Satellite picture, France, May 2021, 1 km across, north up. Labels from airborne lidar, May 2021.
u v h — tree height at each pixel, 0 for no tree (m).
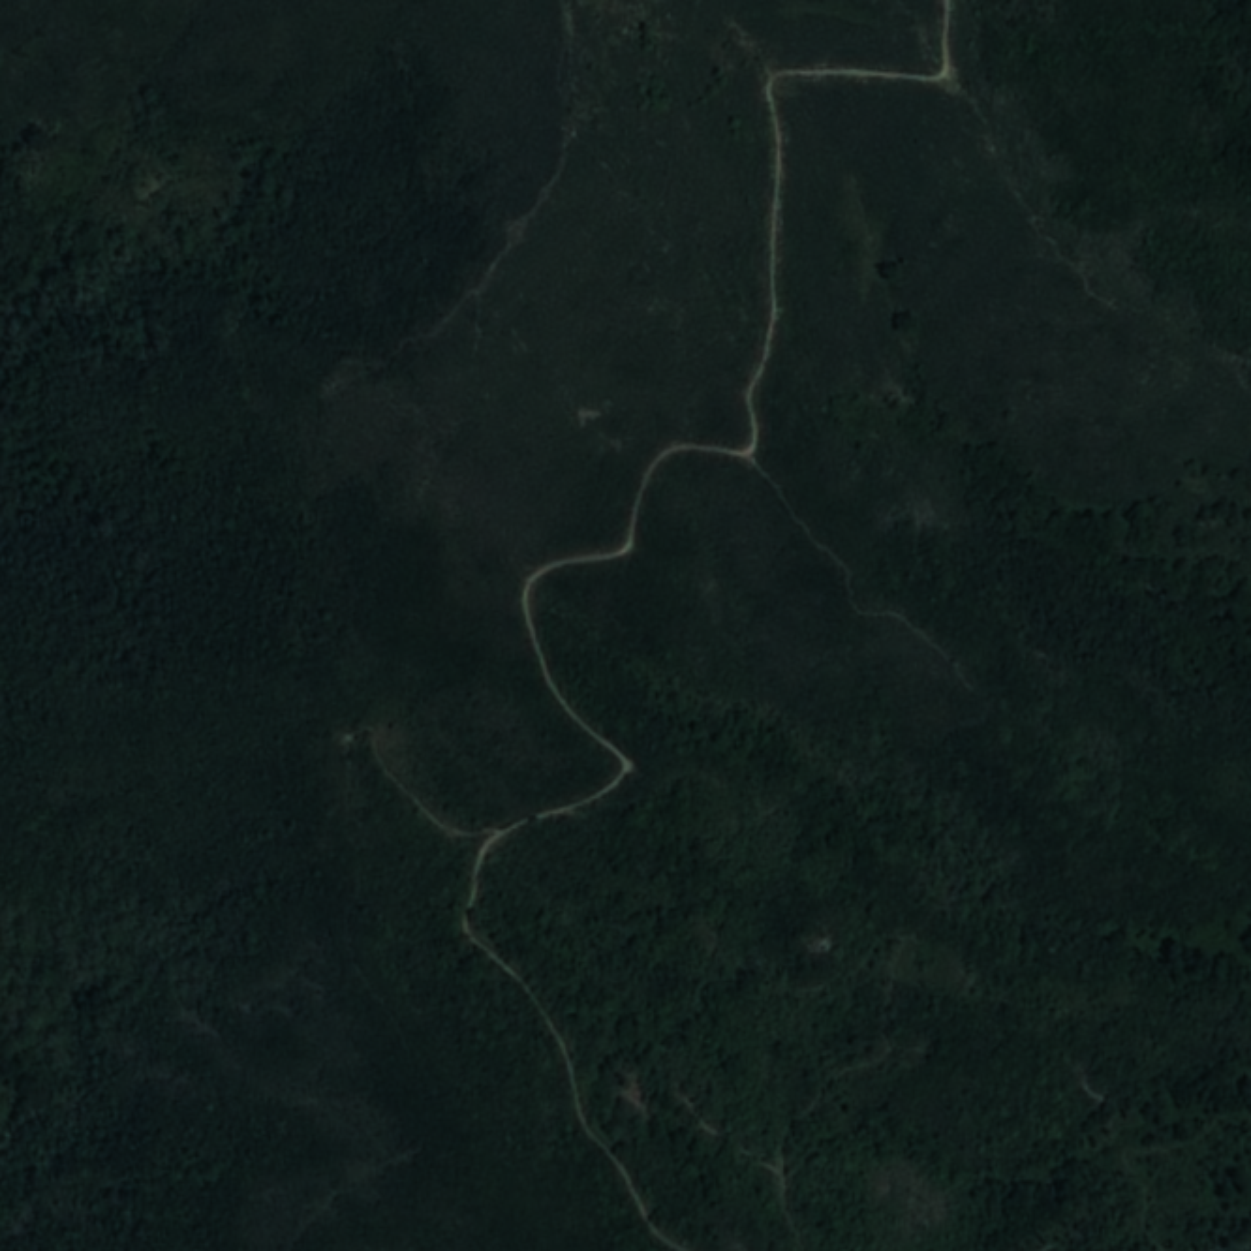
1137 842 11
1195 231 9
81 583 10
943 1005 7
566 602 6
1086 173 8
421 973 8
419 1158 6
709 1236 7
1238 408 0
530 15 0
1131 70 6
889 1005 8
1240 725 11
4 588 12
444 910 7
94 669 12
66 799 6
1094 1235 12
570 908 8
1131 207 6
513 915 13
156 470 17
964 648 6
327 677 6
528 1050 9
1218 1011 6
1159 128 6
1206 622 28
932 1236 7
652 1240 10
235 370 7
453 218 7
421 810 9
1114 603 16
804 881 13
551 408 0
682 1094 5
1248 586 19
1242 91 11
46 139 16
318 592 6
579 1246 7
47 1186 8
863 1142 15
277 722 9
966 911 15
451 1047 7
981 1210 7
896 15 0
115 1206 10
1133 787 10
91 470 8
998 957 11
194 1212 11
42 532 13
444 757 6
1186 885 8
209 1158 9
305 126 6
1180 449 0
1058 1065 9
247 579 10
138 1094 7
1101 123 7
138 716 9
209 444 6
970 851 17
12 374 18
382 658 6
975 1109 8
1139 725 8
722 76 14
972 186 0
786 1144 8
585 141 0
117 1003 19
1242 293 8
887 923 7
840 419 8
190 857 10
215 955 10
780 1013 8
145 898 11
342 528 6
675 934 14
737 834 8
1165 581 21
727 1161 8
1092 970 9
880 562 7
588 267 0
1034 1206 19
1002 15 6
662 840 15
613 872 6
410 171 7
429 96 7
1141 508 19
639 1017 14
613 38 6
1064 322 0
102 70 6
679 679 10
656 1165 7
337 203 7
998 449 19
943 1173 10
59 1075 12
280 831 8
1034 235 0
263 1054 6
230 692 8
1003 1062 8
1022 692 11
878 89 0
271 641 9
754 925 8
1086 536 27
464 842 8
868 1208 7
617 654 5
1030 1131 14
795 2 0
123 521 21
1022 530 21
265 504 12
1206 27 13
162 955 16
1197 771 6
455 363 0
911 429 8
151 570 10
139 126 7
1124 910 10
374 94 8
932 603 10
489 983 14
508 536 0
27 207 13
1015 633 8
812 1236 7
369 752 9
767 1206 9
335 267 8
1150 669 13
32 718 10
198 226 14
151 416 7
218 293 7
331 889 6
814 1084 9
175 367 8
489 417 0
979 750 8
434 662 7
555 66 0
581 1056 8
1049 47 9
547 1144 11
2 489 14
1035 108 6
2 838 8
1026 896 9
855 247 7
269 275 7
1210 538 10
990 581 13
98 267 23
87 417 8
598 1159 13
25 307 20
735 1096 7
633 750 7
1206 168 17
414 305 7
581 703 7
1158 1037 8
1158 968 20
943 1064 10
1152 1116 24
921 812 12
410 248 6
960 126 0
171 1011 7
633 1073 11
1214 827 8
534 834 7
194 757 8
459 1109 6
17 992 16
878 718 9
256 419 8
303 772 8
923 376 8
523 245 0
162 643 10
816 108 0
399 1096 6
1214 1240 11
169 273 9
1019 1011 8
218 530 7
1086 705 8
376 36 6
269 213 8
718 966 7
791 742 11
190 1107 8
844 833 17
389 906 7
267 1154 9
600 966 10
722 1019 12
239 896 11
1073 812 10
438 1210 6
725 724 11
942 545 10
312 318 8
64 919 14
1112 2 6
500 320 0
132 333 19
